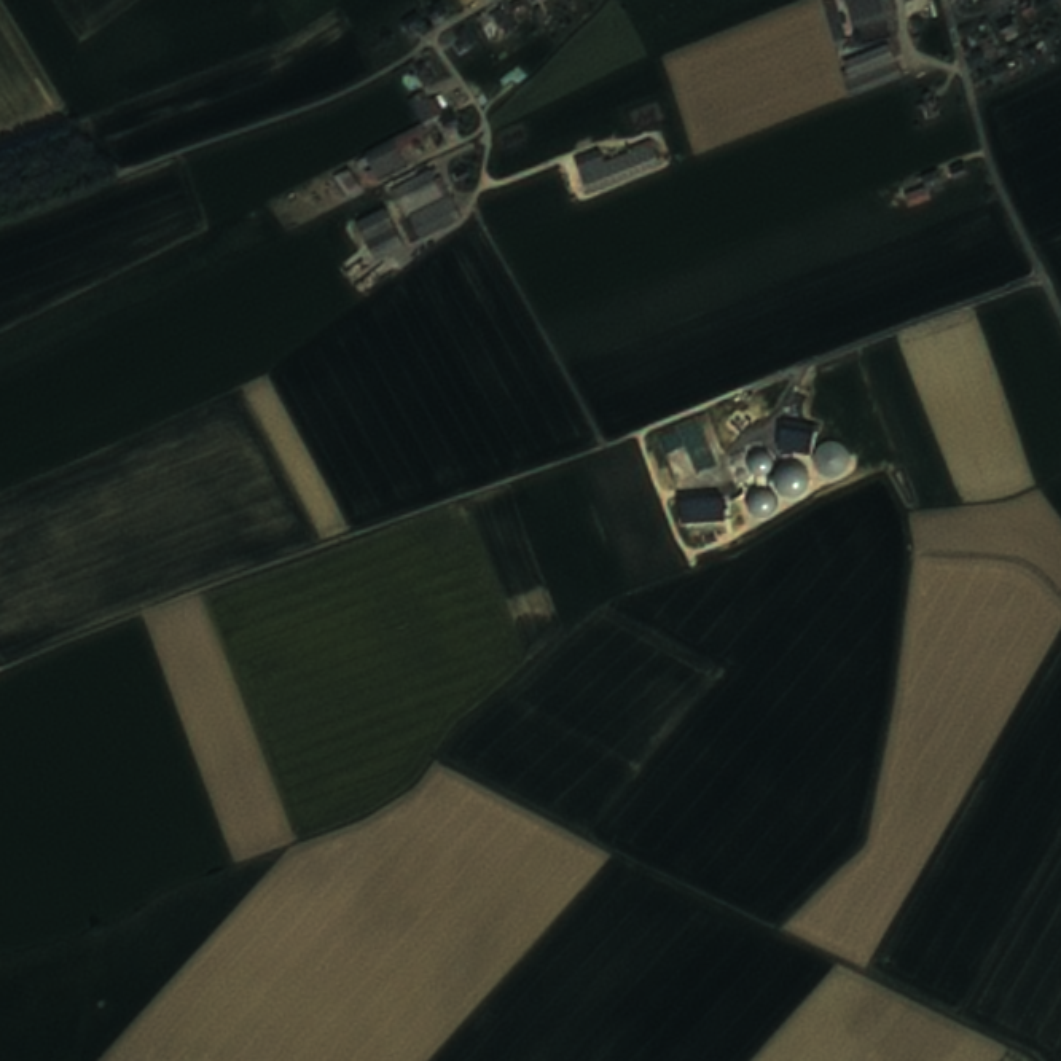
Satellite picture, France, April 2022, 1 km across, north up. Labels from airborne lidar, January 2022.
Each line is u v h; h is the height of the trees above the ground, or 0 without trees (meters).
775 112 0
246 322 0
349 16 0
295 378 0
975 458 0
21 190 28
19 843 0
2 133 0
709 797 0
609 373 0
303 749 0
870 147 0
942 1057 0
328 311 0
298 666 0
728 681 0
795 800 0
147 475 0
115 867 0
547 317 0
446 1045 0
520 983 0
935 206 0
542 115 0
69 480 0
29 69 0
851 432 0
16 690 0
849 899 0
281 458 0
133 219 0
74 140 27
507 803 0
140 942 0
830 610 0
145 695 0
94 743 0
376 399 0
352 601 0
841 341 0
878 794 0
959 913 0
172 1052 0
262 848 0
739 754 0
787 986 0
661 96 0
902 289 0
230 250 0
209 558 0
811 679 0
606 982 0
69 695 0
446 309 0
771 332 0
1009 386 0
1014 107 0
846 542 0
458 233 0
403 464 0
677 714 0
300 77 0
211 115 0
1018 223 0
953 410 0
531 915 0
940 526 0
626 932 0
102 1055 0
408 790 0
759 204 0
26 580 0
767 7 0
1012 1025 0
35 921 0
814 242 0
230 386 0
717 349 0
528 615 0
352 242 0
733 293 0
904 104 0
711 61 0
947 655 0
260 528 0
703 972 0
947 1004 0
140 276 0
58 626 0
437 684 0
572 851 0
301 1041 0
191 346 0
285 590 0
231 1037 0
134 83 0
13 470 0
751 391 0
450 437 0
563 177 0
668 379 0
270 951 0
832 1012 0
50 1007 0
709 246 0
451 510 0
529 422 0
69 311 0
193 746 0
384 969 0
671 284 0
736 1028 0
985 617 0
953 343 0
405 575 0
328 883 0
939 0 0
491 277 0
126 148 0
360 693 0
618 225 0
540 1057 0
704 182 0
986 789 0
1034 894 0
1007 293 0
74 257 0
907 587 0
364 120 0
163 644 0
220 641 0
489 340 0
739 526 0
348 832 0
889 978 0
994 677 0
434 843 0
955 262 0
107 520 0
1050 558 0
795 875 0
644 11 0
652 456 0
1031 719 0
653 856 0
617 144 0
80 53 0
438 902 0
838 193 0
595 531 0
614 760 0
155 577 0
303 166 0
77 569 0
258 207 0
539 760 0
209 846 0
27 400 0
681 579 0
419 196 0
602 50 0
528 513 0
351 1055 0
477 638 0
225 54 0
